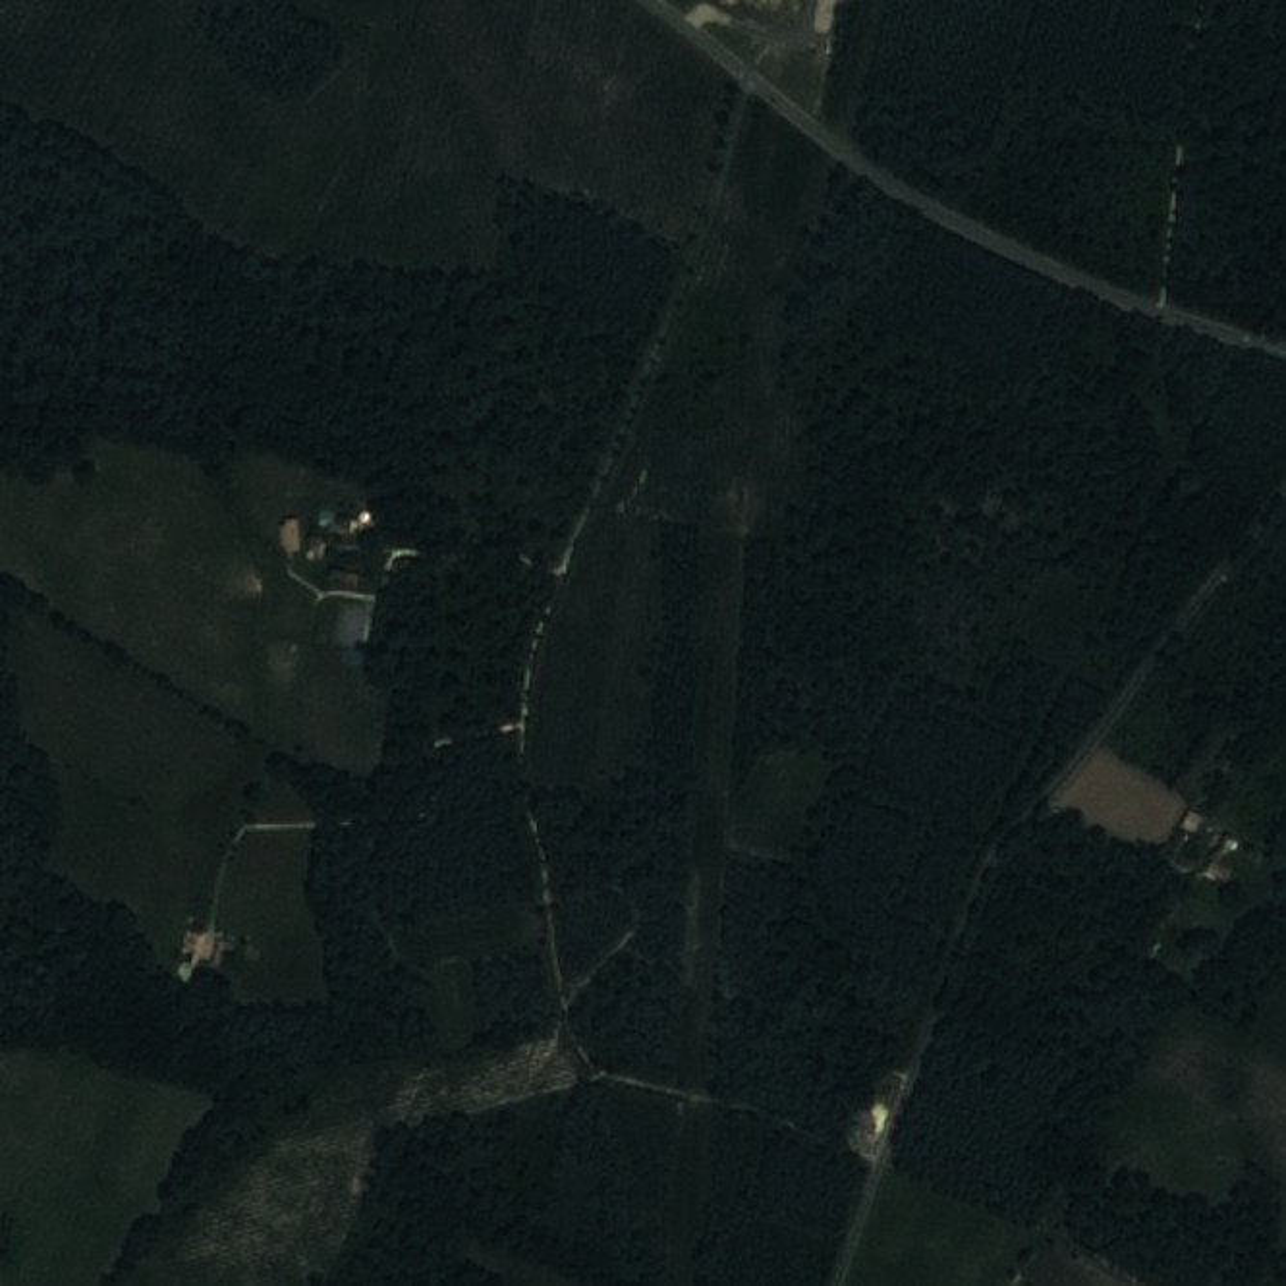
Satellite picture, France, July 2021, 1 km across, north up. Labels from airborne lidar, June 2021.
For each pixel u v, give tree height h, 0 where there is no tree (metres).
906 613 14
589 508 9
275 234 0
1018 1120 18
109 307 10
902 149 23
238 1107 22
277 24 18
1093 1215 18
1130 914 23
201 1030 16
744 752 7
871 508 14
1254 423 13
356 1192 0
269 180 0
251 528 0
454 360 23
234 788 0
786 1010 21
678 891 19
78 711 0
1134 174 7
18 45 0
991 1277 0
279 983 0
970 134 7
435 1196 18
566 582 13
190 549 0
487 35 0
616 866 20
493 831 21
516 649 12
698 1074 0
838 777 12
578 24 0
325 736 0
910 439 9
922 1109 18
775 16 0
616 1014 20
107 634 0
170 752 0
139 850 0
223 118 0
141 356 21
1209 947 14
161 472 0
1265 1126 0
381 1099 0
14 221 25
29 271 12
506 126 0
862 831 16
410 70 0
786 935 16
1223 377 7
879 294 11
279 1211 0
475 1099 0
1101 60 18
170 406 26
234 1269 0
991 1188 18
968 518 15
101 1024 23
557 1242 21
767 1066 21
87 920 19
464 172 0
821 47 0
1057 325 17
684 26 0
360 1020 14
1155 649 13
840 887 15
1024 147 6
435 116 0
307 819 0
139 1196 0
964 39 8
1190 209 17
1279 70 14
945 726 14
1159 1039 7
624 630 0
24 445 21
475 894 23
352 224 0
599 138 0
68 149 17
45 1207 0
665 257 17
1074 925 19
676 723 7
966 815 14
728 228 0
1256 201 19
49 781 15
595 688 0
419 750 16
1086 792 0
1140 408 15
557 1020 16
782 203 0
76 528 0
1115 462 19
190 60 0
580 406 12
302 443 21
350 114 0
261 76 20
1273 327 18
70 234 10
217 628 0
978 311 14
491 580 11
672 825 12
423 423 20
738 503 0
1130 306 0
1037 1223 16
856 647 19
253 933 0
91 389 8
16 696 14
